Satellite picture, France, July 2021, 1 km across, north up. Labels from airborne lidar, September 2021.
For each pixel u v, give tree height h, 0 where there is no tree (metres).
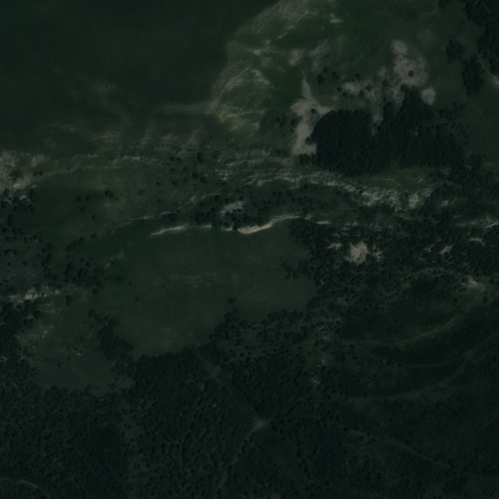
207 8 0
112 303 0
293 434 16
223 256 0
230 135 0
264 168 0
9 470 13
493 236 17
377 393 6
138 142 0
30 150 0
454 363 7
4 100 0
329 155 21
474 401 9
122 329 0
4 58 0
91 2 0
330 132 18
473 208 6
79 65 0
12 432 8
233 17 0
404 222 21
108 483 13
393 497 9
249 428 15
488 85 0
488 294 26
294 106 0
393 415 9
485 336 19
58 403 18
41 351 0
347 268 20
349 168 13
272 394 21
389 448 7
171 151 0
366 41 0
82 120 0
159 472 24
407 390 6
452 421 10
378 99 0
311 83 0
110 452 7
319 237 14
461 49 9
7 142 0
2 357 6
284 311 7
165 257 0
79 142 0
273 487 32
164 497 8
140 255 0
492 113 0
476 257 17
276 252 0
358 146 16
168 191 0
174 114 0
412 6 0
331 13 0
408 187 0
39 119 0
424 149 14
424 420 8
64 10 0
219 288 0
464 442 9
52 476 27
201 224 24
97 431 10
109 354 7
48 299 0
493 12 19
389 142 17
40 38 0
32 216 0
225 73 0
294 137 0
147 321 0
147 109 0
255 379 17
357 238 19
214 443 27
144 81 0
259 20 0
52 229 0
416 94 18
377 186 0
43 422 19
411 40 0
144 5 0
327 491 19
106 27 0
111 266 6
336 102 0
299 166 0
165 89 0
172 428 24
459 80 0
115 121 0
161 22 0
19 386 12
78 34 0
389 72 0
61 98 0
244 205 10
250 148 0
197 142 0
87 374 0
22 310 12
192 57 0
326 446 12
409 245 9
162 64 0
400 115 10
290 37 0
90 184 0
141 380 23
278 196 11
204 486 23
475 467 14
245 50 0
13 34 0
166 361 20
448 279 25
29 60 0
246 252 0
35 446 8
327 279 16
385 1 0
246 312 0
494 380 8
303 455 30
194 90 0
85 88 0
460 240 19
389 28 0
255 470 15
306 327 12
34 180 0
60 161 0
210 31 0
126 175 0
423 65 0
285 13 0
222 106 0
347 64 0
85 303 0
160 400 25
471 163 7
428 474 7
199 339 0
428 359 6
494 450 10
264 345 9
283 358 14
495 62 18
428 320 8
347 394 13
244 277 0
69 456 9
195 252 0
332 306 10
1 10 0
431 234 18
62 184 0
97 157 0
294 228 10
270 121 0
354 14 0
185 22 0
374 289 9
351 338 17
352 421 6
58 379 0
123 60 0
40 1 0
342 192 15
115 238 0
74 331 0
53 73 0
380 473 23
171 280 0
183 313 0
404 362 9
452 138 15
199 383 24
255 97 0
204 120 0
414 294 10
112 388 9
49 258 15
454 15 0
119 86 0
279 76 0
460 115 7
